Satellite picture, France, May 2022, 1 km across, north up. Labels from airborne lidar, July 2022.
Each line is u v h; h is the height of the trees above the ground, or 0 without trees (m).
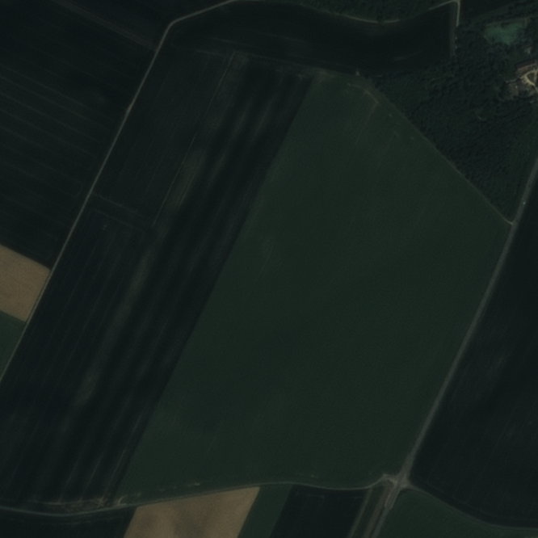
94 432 0
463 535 0
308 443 0
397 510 0
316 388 0
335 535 0
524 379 0
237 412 0
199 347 0
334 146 0
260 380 0
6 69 0
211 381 0
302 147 0
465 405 0
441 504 0
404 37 0
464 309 0
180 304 0
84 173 0
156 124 0
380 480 0
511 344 0
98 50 0
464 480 0
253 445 0
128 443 0
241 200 0
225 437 0
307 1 17
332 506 0
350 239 0
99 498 0
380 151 0
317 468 0
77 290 0
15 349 0
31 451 0
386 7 22
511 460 0
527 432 0
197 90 0
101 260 0
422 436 0
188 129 0
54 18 0
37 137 0
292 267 0
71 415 0
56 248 0
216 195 0
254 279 0
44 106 0
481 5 0
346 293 0
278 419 0
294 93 0
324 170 0
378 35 0
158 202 0
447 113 21
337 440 0
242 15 0
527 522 0
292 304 0
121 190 0
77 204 0
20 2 0
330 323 0
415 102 21
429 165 0
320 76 0
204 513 0
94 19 0
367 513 0
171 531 0
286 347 0
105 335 0
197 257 0
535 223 0
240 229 0
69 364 0
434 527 0
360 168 0
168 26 0
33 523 0
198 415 0
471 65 26
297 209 0
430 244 0
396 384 0
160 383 0
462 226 0
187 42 0
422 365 0
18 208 0
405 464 0
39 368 0
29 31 0
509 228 0
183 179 0
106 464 0
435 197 0
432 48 0
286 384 0
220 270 0
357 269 0
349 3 16
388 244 0
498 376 0
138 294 0
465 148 13
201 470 0
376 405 0
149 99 0
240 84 0
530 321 0
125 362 0
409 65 0
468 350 0
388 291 0
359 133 0
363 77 0
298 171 0
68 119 0
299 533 0
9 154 0
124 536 0
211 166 0
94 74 0
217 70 0
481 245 0
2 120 0
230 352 0
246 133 0
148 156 0
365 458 0
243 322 0
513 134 16
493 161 19
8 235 0
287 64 0
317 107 0
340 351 0
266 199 0
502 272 0
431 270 0
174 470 0
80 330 0
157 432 0
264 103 0
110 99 0
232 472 0
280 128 0
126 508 0
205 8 0
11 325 0
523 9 9
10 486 0
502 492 0
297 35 0
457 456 0
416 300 0
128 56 0
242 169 0
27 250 0
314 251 0
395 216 0
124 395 0
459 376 0
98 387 0
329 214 0
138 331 0
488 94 29
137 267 0
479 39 15
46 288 0
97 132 0
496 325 0
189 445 0
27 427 0
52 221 0
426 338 0
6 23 0
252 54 0
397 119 0
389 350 0
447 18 0
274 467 0
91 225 0
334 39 0
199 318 0
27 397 0
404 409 0
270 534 0
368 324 0
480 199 0
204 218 0
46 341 0
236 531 0
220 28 0
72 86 0
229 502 0
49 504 0
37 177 0
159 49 0
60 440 0
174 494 0
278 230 0
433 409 0
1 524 0
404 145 0
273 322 0
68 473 0
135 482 0
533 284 0
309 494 0
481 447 0
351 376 0
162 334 0
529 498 0
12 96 0
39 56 0
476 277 0
